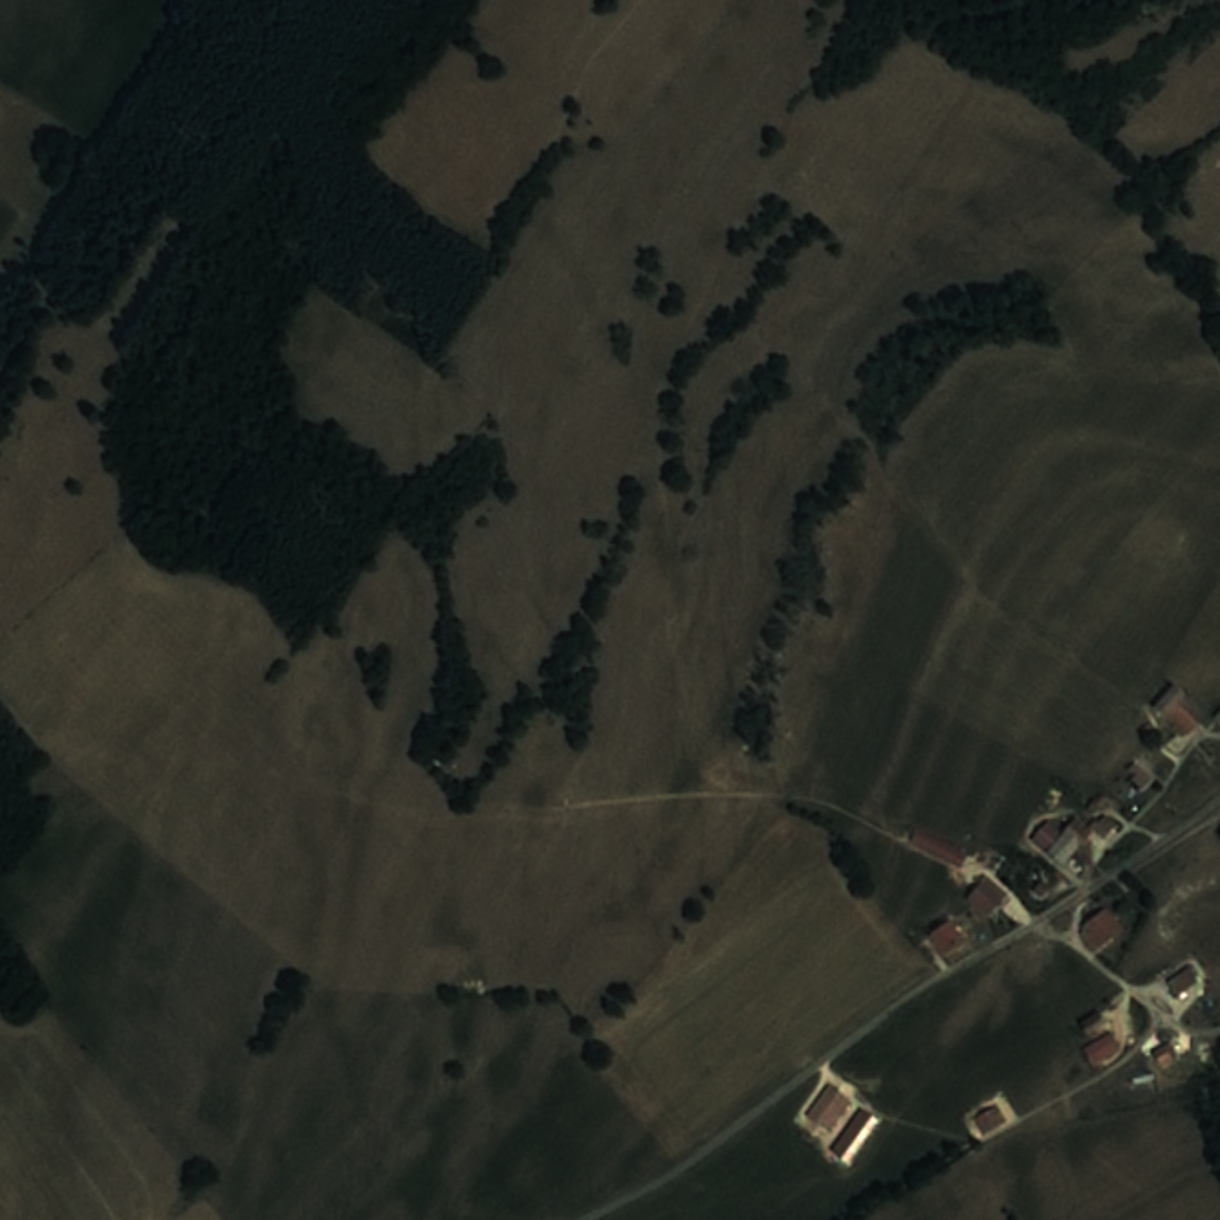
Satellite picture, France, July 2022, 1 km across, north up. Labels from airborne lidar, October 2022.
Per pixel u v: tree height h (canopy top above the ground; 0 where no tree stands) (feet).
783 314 0
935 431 0
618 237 0
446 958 0
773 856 0
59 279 71
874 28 42
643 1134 0
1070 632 0
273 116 78
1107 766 0
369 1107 0
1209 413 0
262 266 42
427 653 0
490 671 0
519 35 0
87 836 0
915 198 0
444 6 93
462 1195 0
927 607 0
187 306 33
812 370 0
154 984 0
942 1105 0
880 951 0
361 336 0
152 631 0
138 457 56
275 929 0
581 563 0
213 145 53
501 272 39
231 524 61
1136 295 0
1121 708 0
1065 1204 0
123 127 71
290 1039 0
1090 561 0
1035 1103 0
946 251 0
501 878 0
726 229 0
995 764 0
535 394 0
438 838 0
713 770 0
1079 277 0
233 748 0
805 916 0
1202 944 0
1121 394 0
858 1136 0
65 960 0
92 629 0
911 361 61
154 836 0
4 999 60
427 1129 0
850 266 0
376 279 73
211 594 0
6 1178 0
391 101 101
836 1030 0
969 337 84
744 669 0
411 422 0
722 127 0
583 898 0
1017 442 0
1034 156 0
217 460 54
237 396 41
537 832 0
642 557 0
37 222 0
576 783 0
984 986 0
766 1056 0
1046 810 0
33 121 0
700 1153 0
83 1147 0
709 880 0
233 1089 0
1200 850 0
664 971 0
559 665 39
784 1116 0
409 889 0
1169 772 0
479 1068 0
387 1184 0
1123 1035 0
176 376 77
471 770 0
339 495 51
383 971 0
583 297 0
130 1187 0
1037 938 0
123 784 0
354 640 0
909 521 0
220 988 0
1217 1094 49
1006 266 0
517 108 0
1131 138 0
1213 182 0
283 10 69
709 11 0
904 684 0
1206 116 0
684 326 0
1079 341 0
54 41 0
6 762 59
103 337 0
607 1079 0
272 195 38
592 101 0
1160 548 0
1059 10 91
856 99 0
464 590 0
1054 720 0
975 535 0
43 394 66
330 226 75
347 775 0
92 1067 0
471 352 0
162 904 0
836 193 0
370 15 74
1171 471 0
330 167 75
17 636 0
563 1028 0
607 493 0
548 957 0
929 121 0
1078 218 0
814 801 0
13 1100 0
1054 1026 0
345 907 0
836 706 0
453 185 0
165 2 0
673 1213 0
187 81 68
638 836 0
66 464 0
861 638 0
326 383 0
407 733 0
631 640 0
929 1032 0
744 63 0
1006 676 0
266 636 0
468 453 34
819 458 0
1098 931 0
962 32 69
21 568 0
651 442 0
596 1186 0
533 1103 0
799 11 0
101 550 0
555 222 0
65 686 0
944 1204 0
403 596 0
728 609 0
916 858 0
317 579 22
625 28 0
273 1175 0
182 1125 0
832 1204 0
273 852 0
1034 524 0
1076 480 0
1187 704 0
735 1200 0
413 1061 0
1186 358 0
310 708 0
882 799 0
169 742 0
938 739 0
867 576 0
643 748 0
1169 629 0
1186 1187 0
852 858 89
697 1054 0
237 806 0
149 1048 0
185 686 0
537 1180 0
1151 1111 0
